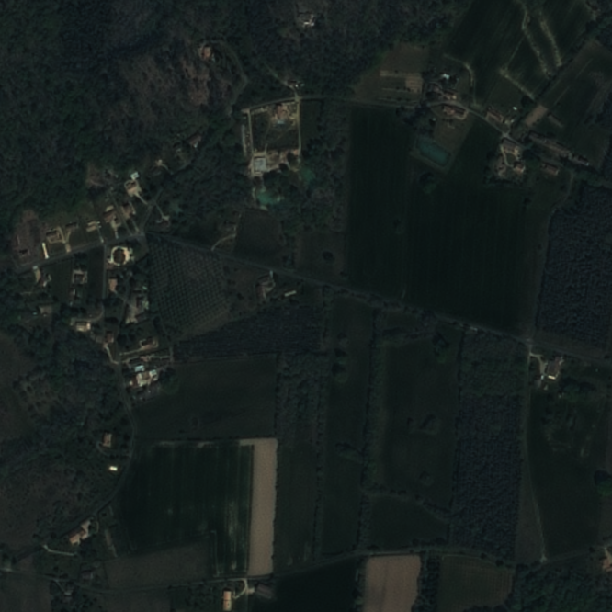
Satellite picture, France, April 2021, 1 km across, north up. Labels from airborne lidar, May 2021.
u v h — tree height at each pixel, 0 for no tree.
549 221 0
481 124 0
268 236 0
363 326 0
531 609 22
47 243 0
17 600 0
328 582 0
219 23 16
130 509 0
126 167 22
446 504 0
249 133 0
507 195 0
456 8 12
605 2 22
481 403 14
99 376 27
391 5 30
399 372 0
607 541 9
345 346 7
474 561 0
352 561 0
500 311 0
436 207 0
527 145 16
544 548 0
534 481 0
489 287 0
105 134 14
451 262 0
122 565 0
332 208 14
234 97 23
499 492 14
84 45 18
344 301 0
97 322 0
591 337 15
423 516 0
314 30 17
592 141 0
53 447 21
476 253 0
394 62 0
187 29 16
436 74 8
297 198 21
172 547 0
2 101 27
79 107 23
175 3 12
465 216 0
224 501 0
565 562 0
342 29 21
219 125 22
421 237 0
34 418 14
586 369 0
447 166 0
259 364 0
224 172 18
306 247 0
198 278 21
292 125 0
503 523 15
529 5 12
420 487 0
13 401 0
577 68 0
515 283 0
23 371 0
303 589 0
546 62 0
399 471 0
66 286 0
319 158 18
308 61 14
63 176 21
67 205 20
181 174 9
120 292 16
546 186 0
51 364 19
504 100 0
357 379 0
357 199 0
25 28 11
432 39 21
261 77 21
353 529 0
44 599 0
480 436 15
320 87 15
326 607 0
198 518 0
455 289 0
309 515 0
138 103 16
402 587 0
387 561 0
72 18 24
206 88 18
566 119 0
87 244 0
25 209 7
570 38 0
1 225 24
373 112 0
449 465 0
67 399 13
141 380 0
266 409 0
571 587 14
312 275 0
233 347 7
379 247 0
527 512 0
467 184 0
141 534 0
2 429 0
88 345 19
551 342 0
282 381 13
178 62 19
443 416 0
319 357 12
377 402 15
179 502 0
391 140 0
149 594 0
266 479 0
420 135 17
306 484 0
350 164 0
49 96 16
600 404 0
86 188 24
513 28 0
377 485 7
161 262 22
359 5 18
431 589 11
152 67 9
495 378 15
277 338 5
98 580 8
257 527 0
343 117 16
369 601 0
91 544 11
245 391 0
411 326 0
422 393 0
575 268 14
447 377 0
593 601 15
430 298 0
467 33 0
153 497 0
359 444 0
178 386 16
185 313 19
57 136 15
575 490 0
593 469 0
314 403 10
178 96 18
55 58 23
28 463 8
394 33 31
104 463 7
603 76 0
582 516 0
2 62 12
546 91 10
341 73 25
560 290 13
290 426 14
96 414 10
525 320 0
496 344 13
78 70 20
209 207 13
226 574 0
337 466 0
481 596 0
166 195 6
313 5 16
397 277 0
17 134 14
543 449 0
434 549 9
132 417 0
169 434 0
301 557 0
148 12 19
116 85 17
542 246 7
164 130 15
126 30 21
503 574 0
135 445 0
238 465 0
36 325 0
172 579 0
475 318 0
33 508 0
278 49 18
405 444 0
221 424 0
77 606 7
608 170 15
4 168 13
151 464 0
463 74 10
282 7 29
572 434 0
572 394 24
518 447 17
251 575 0
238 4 20
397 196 0
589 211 15
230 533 0
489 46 0
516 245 0
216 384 0
